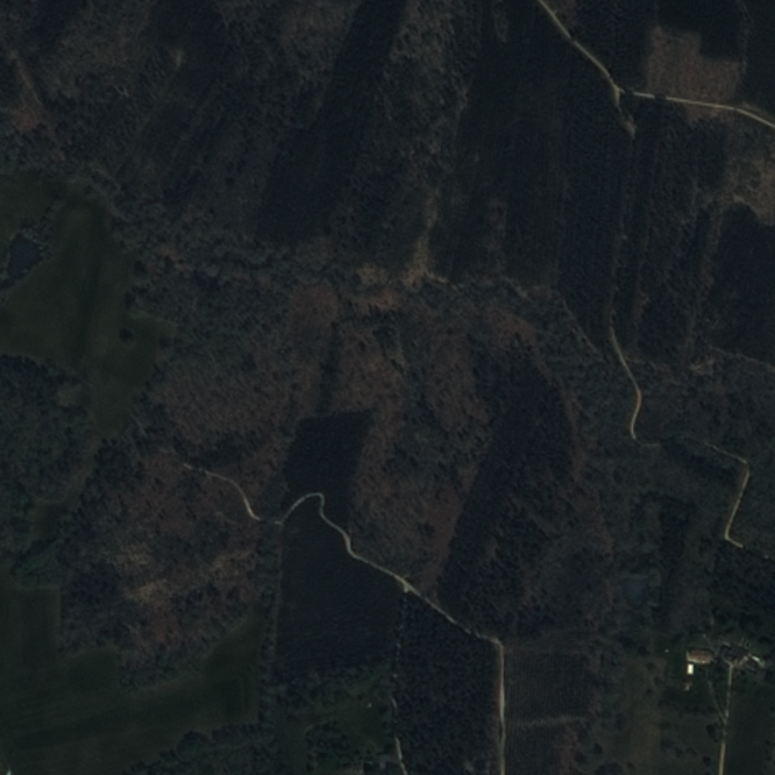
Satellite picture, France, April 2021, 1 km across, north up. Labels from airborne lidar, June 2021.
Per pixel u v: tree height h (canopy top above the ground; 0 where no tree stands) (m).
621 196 14
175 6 8
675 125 15
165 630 0
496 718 0
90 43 14
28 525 11
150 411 21
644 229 18
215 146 16
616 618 13
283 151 14
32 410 20
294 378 9
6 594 0
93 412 0
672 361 18
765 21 9
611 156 13
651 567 17
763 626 16
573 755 7
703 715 8
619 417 14
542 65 7
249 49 19
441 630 18
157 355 0
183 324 14
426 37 10
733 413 14
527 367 10
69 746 0
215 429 7
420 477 10
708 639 12
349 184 11
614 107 14
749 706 0
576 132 12
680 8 11
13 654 0
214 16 8
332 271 10
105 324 0
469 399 9
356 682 15
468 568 11
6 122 17
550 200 8
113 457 16
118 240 14
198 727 0
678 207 16
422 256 0
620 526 17
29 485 9
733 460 17
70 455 25
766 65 6
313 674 12
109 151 17
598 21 16
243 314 15
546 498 16
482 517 10
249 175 7
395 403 14
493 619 15
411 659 17
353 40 9
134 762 0
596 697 10
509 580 18
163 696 0
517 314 8
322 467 6
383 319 14
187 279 12
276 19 19
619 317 17
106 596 9
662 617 15
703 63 0
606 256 15
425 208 0
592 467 13
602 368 10
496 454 10
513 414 11
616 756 0
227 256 9
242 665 0
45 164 24
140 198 11
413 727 17
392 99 16
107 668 0
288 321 12
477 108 9
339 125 9
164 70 14
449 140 11
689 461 16
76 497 0
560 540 10
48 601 0
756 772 0
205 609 24
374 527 12
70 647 11
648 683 0
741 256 9
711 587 10
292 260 17
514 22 9
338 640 6
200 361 20
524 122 7
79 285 0
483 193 6
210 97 14
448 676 18
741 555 14
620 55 16
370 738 0
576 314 13
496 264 8
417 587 12
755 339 7
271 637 5
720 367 11
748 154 8
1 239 0
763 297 9
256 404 16
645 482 18
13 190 0
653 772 0
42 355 0
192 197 14
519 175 8
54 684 0
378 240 11
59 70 13
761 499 8
